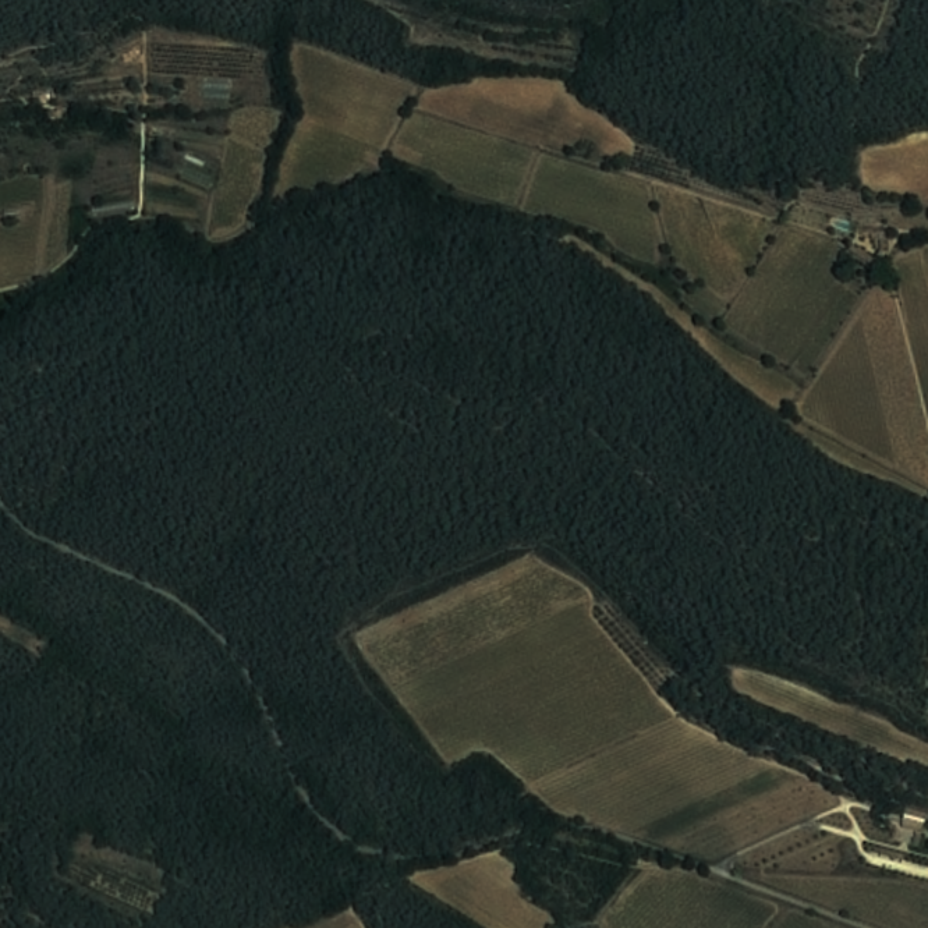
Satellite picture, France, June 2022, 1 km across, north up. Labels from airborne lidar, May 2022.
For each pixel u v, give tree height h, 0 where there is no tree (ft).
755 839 0
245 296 77
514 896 0
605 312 76
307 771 50
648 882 0
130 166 0
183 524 66
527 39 31
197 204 0
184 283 30
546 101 0
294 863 57
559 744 0
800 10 30
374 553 52
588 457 52
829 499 39
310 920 52
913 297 0
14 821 29
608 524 62
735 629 61
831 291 0
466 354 52
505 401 46
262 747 48
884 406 0
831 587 61
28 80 25
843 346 0
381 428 51
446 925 52
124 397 47
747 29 71
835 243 0
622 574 62
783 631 47
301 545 56
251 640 31
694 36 70
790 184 61
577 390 54
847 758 59
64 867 41
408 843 56
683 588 61
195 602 23
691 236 0
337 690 41
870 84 64
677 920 0
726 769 0
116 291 71
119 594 40
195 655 43
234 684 45
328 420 54
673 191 0
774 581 54
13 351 56
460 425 50
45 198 0
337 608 53
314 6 57
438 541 56
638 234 0
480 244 49
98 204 40
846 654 49
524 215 30
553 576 0
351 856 36
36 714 52
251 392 66
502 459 58
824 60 57
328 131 0
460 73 34
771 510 61
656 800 0
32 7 65
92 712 37
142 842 45
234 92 0
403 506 54
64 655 36
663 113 60
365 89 0
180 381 54
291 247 57
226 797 42
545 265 71
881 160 0
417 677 0
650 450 59
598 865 25
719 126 57
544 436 49
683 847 0
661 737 0
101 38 24
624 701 0
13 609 47
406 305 63
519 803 62
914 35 58
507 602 0
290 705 43
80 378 22
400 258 71
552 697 0
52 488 52
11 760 55
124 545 52
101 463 63
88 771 54
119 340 65
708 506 58
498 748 0
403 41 44
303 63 0
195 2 68
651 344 76
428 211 62
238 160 0
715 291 0
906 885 0
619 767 0
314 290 69
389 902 46
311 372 58
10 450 50
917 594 71
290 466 52
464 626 0
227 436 55
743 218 0
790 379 0
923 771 36
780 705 0
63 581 48
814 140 54
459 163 0
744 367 0
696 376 72
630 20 68
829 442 0
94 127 38
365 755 48
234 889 42
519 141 0
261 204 37
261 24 59
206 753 47
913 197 56
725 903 0
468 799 26
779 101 65
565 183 0
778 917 0
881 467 0
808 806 0
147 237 70
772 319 0
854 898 0
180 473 51
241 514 34
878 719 0
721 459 64
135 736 52
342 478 58
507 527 75
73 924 66
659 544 56
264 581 56
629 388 56
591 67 55
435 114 0
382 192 79
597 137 0
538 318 64
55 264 0
